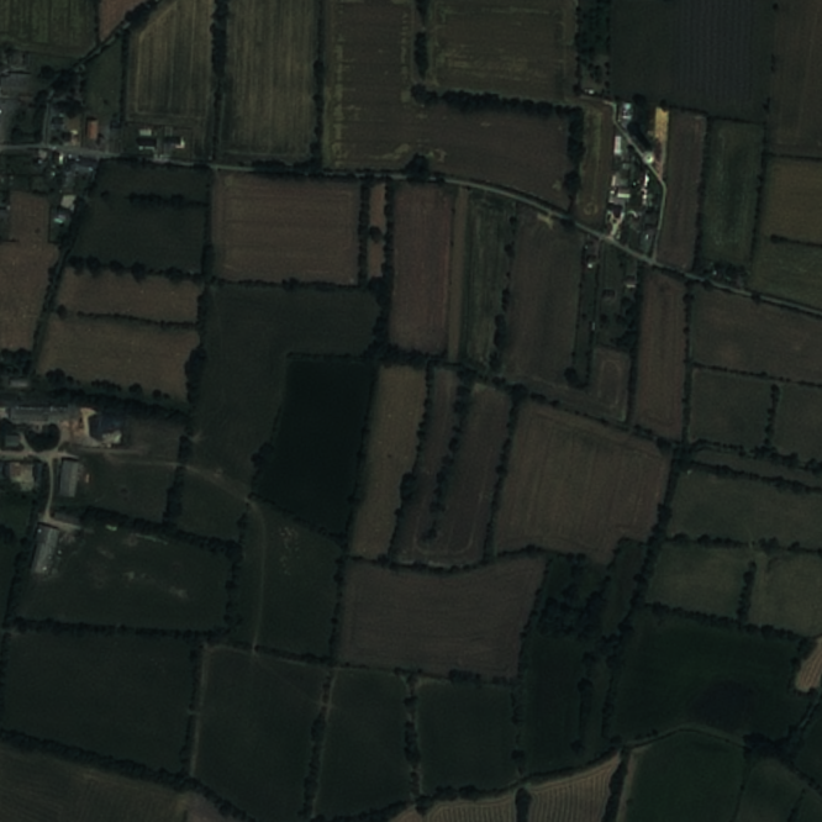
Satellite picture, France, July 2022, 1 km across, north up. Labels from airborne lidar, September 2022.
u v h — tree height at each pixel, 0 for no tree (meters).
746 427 0
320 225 0
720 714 0
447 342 0
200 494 0
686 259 0
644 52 0
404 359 14
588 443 0
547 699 0
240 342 0
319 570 0
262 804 0
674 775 0
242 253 0
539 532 0
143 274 17
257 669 0
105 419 0
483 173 0
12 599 11
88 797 0
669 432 0
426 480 0
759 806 0
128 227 0
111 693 0
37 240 0
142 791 0
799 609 0
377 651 0
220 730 0
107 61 0
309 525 8
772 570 0
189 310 0
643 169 11
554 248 0
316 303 0
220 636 19
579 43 8
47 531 0
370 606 0
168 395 7
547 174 0
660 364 0
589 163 0
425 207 0
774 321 0
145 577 0
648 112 0
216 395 0
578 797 0
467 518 0
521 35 0
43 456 0
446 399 0
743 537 0
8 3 0
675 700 0
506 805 0
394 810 11
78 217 12
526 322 0
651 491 0
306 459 0
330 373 0
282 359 0
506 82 0
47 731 0
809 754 0
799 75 0
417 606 0
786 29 0
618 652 15
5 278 0
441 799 9
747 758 11
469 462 0
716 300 0
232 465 0
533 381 0
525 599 0
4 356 13
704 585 0
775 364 0
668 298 0
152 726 0
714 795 0
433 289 0
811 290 0
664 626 0
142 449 0
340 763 0
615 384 0
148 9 15
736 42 0
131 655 0
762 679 0
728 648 0
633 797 0
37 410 0
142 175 0
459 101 17
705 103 0
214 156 6
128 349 0
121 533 0
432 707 0
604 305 0
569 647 0
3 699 14
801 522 0
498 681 17
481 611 0
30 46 0
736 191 0
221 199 0
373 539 0
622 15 0
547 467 0
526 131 0
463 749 0
